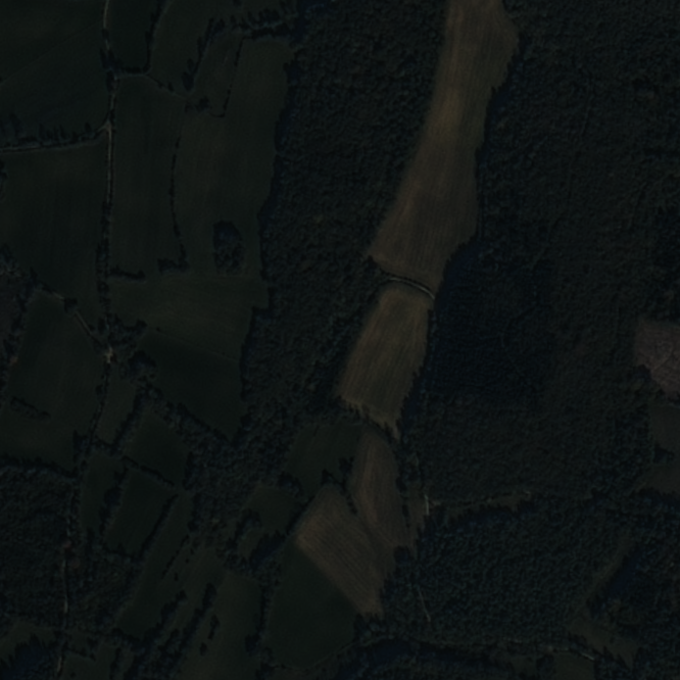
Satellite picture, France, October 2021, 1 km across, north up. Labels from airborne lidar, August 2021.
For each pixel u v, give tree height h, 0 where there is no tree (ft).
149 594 0
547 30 68
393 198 39
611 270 22
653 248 26
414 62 51
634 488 63
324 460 0
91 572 18
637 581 69
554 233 26
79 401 0
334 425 32
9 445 0
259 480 53
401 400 0
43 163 0
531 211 36
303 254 66
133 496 0
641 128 23
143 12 0
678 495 0
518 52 0
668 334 0
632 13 30
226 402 0
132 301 0
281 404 32
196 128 0
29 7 0
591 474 36
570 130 31
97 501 0
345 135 50
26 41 0
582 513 63
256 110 0
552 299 40
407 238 0
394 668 49
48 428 0
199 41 0
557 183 38
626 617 25
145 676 61
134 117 0
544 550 36
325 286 43
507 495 30
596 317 41
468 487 35
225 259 40
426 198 0
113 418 0
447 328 56
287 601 0
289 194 53
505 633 48
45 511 25
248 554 0
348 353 26
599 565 49
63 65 0
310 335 48
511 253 42
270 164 0
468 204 0
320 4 36
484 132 0
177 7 0
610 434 45
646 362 0
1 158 0
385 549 0
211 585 0
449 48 0
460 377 57
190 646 50
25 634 0
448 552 56
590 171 28
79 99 0
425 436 49
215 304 0
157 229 0
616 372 48
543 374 35
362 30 62
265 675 39
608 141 33
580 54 46
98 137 25
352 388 0
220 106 0
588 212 27
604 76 48
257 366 52
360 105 63
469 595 45
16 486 20
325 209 56
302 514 51
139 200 0
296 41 40
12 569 25
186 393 0
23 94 0
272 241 52
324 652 0
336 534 0
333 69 38
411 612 45
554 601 73
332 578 0
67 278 0
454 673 44
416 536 0
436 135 0
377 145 51
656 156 61
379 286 47
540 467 29
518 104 52
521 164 36
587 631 0
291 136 53
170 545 0
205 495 55
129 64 0
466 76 0
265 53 0
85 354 0
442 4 27
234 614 0
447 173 0
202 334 0
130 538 0
